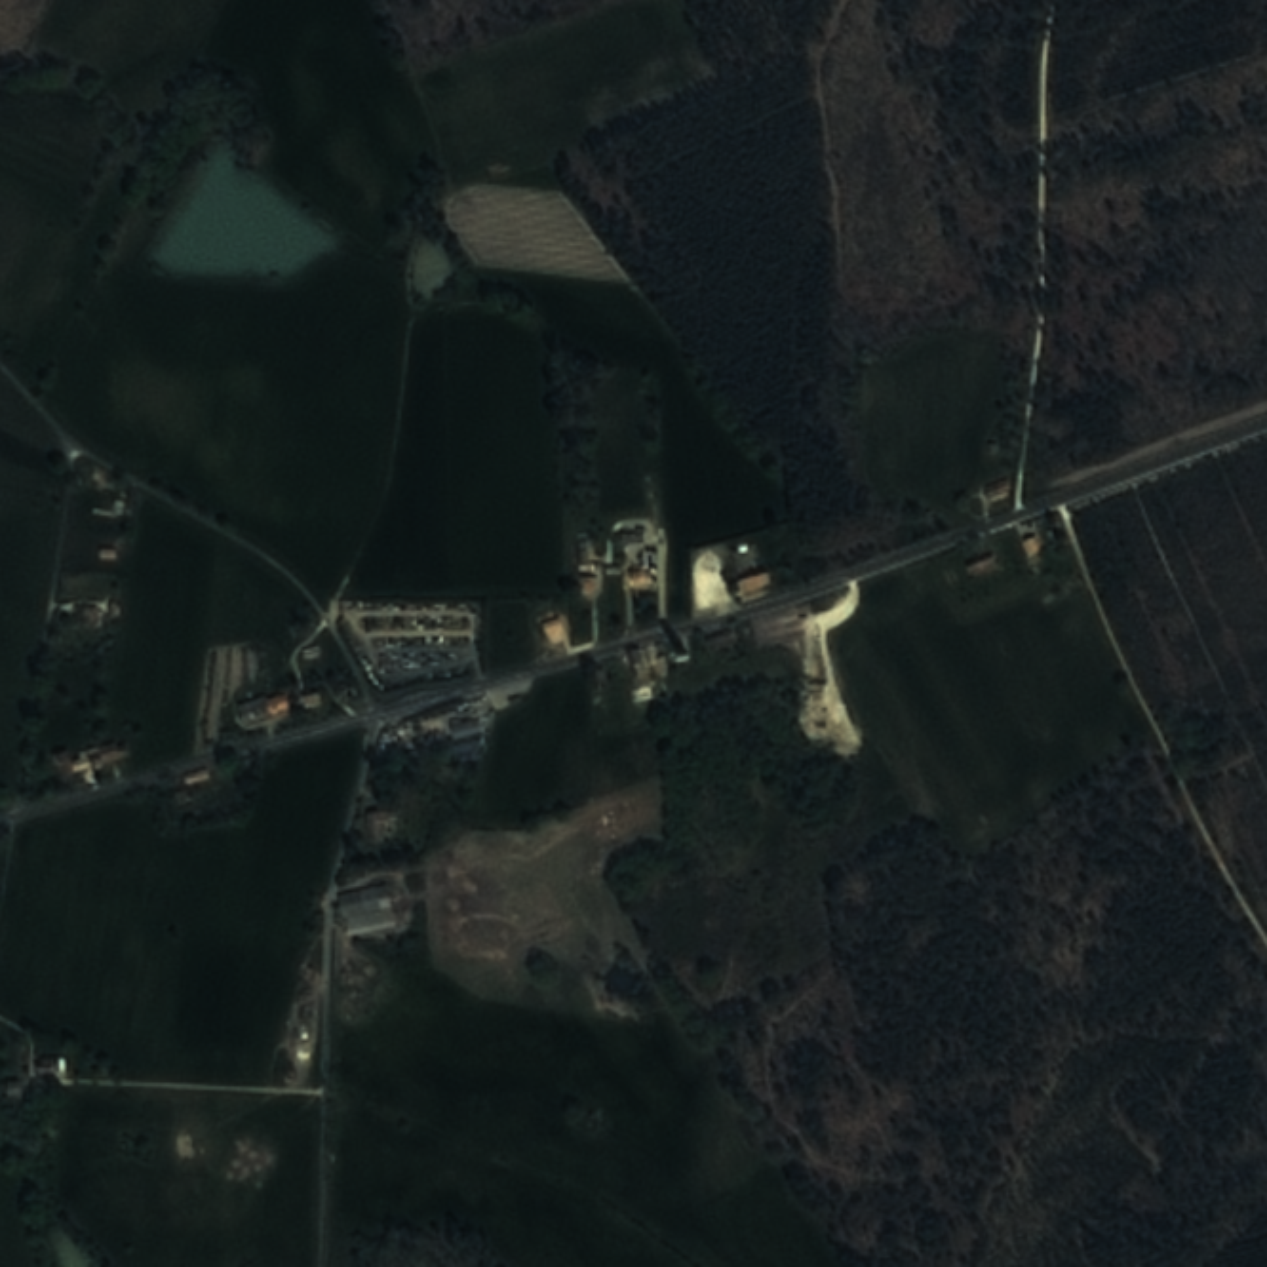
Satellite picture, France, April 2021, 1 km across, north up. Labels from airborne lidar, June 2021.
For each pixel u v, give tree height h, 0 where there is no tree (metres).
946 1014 13
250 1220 0
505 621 0
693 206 18
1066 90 7
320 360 0
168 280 0
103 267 9
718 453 0
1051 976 11
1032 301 16
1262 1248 9
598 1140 0
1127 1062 8
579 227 0
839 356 6
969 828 0
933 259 0
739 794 19
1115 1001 16
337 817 0
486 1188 0
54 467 11
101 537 0
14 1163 17
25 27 0
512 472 0
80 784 13
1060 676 0
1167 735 8
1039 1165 7
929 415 0
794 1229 0
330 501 0
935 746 0
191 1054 0
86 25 0
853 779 16
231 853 0
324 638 0
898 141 0
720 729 18
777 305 17
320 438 0
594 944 0
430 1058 0
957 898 14
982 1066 9
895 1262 13
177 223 0
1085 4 16
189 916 0
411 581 0
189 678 0
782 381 21
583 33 0
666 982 19
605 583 0
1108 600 7
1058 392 12
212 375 0
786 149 17
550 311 0
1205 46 8
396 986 0
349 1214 0
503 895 0
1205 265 12
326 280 0
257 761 6
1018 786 0
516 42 0
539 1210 0
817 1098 15
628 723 0
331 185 0
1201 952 16
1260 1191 22
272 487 0
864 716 0
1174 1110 10
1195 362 8
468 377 0
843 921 15
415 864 12
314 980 0
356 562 0
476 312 0
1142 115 0
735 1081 13
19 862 0
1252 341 8
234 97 16
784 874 0
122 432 0
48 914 0
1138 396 12
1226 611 0
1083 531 6
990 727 0
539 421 0
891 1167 8
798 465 16
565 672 0
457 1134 0
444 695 0
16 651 0
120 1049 0
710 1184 0
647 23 0
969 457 0
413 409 0
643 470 0
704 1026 22
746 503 0
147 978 0
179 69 0
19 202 0
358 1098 0
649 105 0
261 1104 0
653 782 0
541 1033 0
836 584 0
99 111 14
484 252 0
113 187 0
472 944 0
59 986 0
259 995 0
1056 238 11
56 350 0
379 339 0
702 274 17
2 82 6
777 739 16
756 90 16
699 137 21
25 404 0
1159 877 16
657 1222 0
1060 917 8
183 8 0
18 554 0
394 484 0
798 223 17
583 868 0
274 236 0
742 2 17
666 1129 0
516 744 0
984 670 0
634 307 0
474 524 0
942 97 18
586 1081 0
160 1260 0
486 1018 0
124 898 0
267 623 0
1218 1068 14
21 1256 0
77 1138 0
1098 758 0
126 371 0
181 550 0
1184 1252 17
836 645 0
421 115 0
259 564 0
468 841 0
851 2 6
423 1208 0
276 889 0
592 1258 0
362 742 0
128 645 0
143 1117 0
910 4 21
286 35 0
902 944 15
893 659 0
